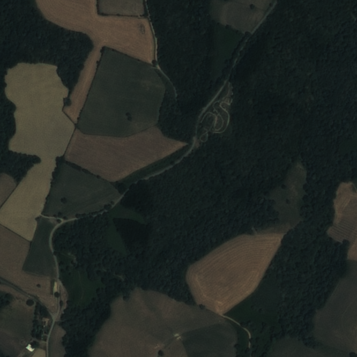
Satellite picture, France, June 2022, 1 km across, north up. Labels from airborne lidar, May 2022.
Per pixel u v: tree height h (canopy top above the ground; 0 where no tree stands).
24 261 0
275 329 10
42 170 0
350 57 9
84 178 0
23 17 16
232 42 0
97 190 0
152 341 0
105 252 15
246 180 22
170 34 14
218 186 20
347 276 0
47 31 12
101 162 0
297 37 26
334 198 15
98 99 0
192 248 7
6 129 17
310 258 26
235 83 8
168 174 10
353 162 21
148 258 18
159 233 5
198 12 26
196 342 0
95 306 11
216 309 0
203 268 0
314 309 16
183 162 12
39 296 0
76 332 10
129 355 0
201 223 21
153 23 13
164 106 10
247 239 0
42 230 0
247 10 0
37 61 16
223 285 0
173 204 9
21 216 0
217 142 12
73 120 0
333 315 0
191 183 8
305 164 9
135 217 0
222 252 0
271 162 18
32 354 0
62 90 0
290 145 23
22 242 0
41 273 0
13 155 16
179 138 12
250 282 0
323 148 12
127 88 0
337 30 17
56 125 0
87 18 0
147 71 0
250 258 0
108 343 0
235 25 0
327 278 11
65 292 0
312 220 14
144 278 19
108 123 0
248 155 11
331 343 0
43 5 0
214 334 0
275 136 17
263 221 13
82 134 0
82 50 12
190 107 26
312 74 24
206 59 25
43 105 0
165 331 0
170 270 10
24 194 0
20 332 0
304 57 24
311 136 17
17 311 0
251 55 21
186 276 0
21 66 0
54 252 8
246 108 17
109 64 0
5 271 0
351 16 20
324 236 27
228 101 0
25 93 0
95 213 10
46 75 0
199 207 15
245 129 10
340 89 11
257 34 9
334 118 15
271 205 11
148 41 0
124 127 0
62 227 7
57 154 0
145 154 0
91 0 0
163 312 0
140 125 0
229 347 0
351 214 0
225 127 0
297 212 0
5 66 24
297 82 28
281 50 24
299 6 18
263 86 26
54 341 0
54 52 21
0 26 16
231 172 12
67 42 13
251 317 0
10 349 0
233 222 16
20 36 18
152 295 0
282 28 14
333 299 0
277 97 27
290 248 21
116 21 0
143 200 26
